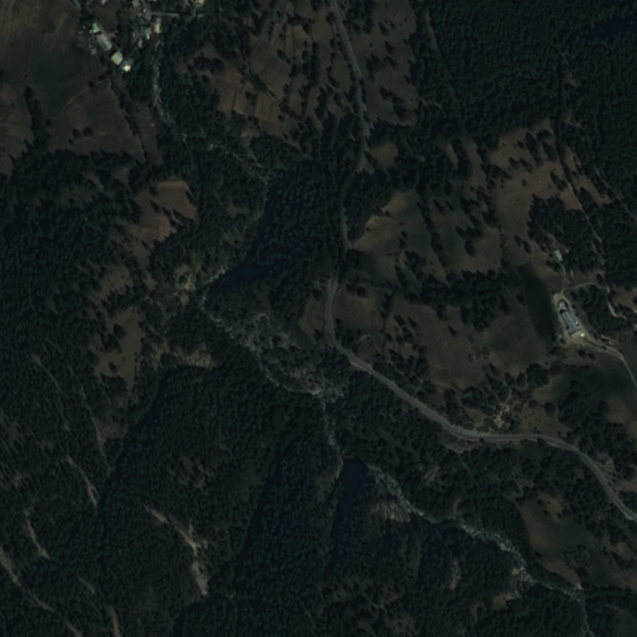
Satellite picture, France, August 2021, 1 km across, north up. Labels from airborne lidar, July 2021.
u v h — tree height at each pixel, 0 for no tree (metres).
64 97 0
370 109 0
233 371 15
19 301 29
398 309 0
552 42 20
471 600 16
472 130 16
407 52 0
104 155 0
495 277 16
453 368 0
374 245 0
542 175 0
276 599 27
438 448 17
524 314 0
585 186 0
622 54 20
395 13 0
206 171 22
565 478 10
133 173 0
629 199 8
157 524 23
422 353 11
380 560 16
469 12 20
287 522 18
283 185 16
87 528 21
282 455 14
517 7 22
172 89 15
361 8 19
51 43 0
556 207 19
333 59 7
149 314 15
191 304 13
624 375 0
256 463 18
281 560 18
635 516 0
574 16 24
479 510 19
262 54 0
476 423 0
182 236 16
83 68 0
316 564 14
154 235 0
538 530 0
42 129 14
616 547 9
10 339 21
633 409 0
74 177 11
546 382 18
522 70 16
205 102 25
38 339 19
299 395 11
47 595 24
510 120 28
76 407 15
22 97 0
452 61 21
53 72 0
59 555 22
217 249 16
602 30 13
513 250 0
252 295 12
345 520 24
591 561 7
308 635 21
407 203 0
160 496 22
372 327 0
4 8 0
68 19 0
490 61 21
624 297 0
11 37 0
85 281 17
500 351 0
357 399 25
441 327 0
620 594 18
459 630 11
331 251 15
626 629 0
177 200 0
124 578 18
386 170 0
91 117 0
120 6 0
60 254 18
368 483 11
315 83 11
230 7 12
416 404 0
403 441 19
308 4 0
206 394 29
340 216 10
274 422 17
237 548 24
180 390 15
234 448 17
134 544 19
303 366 18
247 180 14
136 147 0
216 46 8
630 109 22
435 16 19
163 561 16
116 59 0
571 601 12
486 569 27
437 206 0
